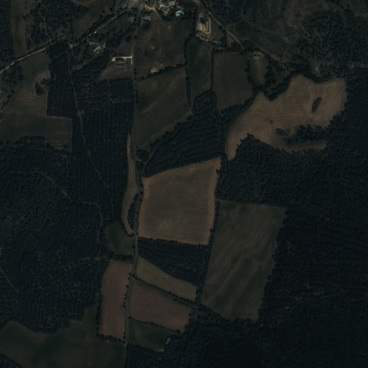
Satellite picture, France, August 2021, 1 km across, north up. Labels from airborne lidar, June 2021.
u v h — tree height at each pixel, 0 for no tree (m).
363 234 15
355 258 18
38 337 0
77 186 12
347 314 13
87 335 0
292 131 0
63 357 0
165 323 0
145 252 10
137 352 12
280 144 0
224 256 0
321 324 16
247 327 14
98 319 14
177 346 15
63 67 10
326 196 16
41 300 10
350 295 14
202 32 0
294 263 13
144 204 0
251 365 20
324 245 18
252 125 0
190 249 7
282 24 0
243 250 0
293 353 16
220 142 8
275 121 0
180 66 10
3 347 0
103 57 10
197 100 9
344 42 11
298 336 22
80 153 13
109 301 0
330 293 11
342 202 18
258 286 0
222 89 0
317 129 14
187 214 0
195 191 0
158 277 0
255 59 0
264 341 15
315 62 0
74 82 11
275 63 9
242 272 0
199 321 10
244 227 0
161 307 0
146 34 0
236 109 15
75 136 12
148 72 0
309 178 20
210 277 0
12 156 11
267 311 12
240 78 0
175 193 0
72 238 12
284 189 18
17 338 0
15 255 9
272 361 17
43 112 0
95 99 10
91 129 10
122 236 0
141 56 0
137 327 0
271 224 0
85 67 11
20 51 0
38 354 0
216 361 18
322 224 17
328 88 0
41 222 7
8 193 15
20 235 9
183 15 7
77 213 13
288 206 11
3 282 10
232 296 0
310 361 17
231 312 0
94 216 12
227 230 0
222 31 8
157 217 0
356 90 12
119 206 12
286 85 11
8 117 0
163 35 0
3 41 15
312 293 11
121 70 0
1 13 16
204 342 10
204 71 0
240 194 18
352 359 14
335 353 19
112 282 0
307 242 22
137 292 0
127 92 9
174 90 0
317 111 0
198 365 17
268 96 16
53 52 12
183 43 0
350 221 14
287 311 12
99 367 0
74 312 10
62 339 0
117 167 11
